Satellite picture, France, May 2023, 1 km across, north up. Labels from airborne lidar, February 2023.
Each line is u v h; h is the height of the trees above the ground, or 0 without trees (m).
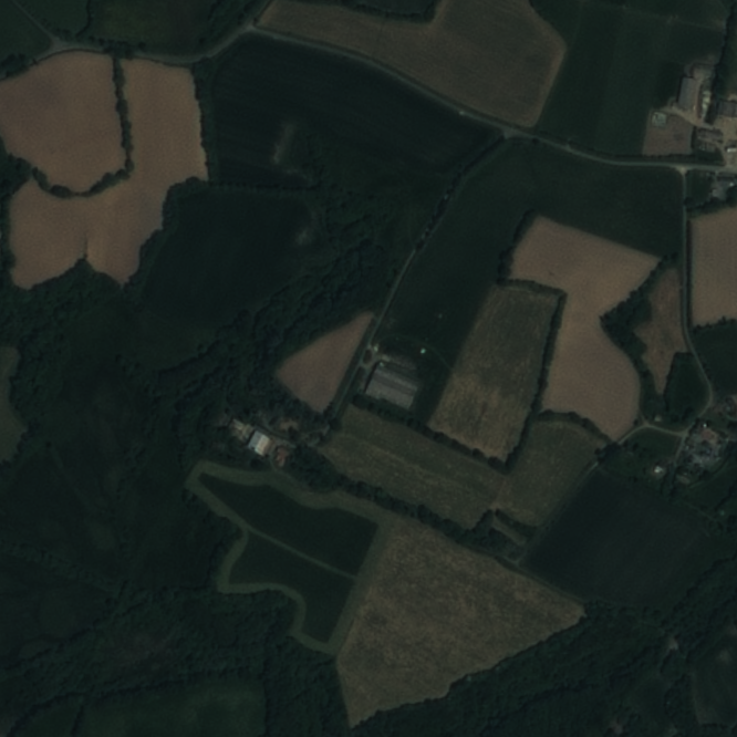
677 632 6
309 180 0
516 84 0
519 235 10
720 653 0
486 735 13
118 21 0
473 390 0
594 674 10
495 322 0
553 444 0
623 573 0
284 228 0
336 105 0
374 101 0
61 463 0
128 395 0
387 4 0
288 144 0
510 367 0
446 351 0
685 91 0
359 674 0
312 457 15
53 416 0
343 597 0
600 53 0
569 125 0
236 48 0
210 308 0
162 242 12
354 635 0
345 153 0
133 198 0
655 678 0
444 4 0
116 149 0
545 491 0
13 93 0
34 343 28
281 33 0
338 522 0
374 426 0
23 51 0
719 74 13
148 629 6
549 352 11
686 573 0
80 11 0
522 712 16
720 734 9
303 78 0
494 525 0
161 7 0
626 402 0
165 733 0
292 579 0
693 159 8
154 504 0
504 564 5
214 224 0
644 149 0
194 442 11
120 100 9
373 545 0
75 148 0
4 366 0
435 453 0
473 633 0
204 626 0
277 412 15
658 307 0
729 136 0
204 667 10
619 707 8
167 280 0
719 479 0
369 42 0
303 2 14
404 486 0
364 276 20
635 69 0
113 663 0
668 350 0
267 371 12
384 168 0
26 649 0
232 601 10
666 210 0
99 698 13
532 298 0
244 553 0
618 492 0
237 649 14
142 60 0
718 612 16
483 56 0
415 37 0
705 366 8
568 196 0
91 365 0
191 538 0
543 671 17
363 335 0
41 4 0
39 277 0
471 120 0
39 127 0
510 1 0
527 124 0
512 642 0
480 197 0
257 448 0
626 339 15
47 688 12
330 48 0
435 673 0
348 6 13
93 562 0
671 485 10
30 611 0
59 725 0
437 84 0
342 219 11
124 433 0
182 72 0
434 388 0
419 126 0
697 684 0
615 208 0
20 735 14
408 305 0
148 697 15
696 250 0
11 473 12
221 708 0
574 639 10
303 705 10
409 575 0
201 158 0
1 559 0
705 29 0
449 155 0
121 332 0
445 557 0
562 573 0
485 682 13
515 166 0
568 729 16
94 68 0
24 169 15
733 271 0
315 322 14
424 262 0
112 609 9
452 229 0
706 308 0
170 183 0
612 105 0
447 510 0
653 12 0
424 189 0
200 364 19
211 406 18
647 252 0
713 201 10
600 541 0
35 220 0
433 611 0
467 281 0
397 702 0
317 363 0
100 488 0
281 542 0
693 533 0
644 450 8
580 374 0
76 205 0
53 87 0
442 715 19
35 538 0
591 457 0
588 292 0
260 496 0
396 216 0
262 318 14
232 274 0
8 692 0
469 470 0
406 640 0
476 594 0
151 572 0
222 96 0
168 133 0
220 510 0
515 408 0
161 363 0
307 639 0
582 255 0
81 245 0
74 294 9
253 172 0
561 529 0
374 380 0
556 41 0
